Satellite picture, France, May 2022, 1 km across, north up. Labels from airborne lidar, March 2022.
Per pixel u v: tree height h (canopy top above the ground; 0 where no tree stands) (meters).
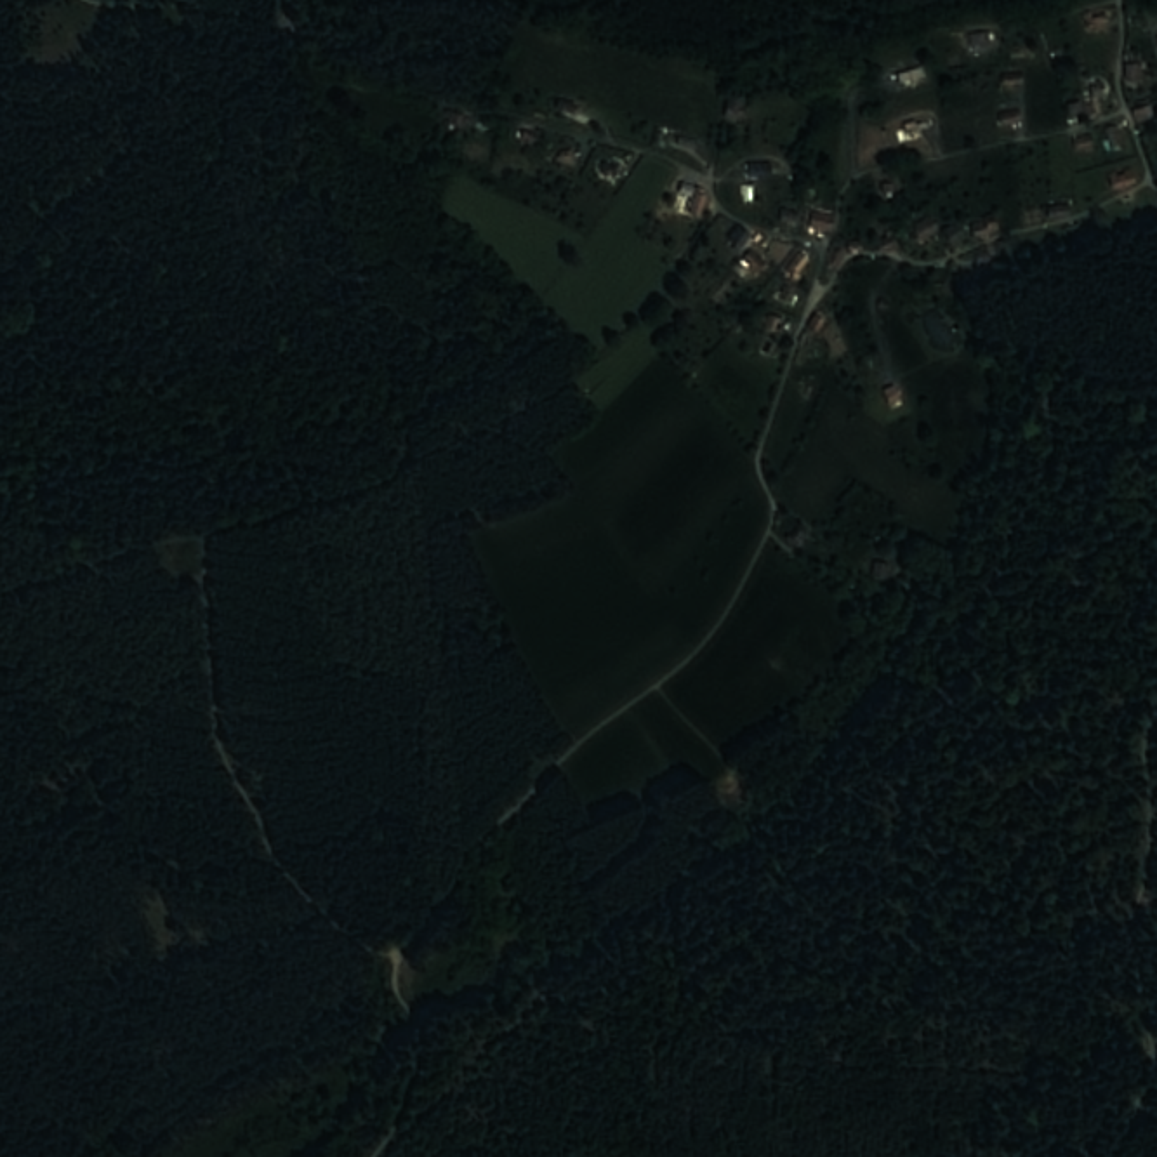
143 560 18
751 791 15
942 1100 13
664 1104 9
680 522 0
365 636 21
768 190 0
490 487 20
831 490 0
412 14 32
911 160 17
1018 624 12
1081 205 0
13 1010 22
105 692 20
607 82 0
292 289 27
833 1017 10
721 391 0
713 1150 11
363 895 33
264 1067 25
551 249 0
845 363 7
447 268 15
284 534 24
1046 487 8
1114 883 8
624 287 0
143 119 27
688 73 0
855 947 33
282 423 18
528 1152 10
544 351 18
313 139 14
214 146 26
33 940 25
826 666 0
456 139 10
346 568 24
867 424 0
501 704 14
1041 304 23
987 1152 25
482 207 0
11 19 22
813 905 39
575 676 0
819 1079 14
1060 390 15
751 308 9
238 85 10
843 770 30
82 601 23
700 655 0
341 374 18
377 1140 14
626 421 0
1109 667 17
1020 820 14
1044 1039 28
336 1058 27
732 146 10
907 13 26
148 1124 30
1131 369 29
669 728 0
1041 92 0
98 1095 30
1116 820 14
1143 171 0
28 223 25
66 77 25
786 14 24
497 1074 9
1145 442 9
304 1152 0
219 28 27
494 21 26
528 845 11
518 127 11
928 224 0
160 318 22
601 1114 11
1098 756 18
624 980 11
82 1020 26
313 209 24
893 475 0
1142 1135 21
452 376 16
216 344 25
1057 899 13
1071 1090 38
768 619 0
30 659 19
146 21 22
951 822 31
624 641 0
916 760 29
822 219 0
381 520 17
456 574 23
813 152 17
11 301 27
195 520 24
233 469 14
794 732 25
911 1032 12
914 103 0
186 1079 28
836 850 33
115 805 28
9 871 24
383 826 28
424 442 18
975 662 12
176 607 21
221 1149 0
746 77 17
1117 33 0
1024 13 22
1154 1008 9
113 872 27
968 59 0
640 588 0
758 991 33
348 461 19
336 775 24
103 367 29
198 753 20
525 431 17
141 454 14
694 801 32
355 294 25
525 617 0
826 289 0
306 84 20
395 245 8
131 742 27
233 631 18
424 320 12
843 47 35
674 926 37
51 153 26
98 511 26
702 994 35
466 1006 23
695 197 0
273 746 21
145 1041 28
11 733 22
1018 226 0
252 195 19
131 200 24
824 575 11
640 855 32
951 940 7
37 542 17
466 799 14
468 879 16
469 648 26
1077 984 25
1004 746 13
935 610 30
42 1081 26
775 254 0
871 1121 10
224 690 18
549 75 0
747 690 0
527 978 28
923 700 26
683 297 23
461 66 25
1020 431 30
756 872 35
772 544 0
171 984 28
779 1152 10
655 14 17
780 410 0
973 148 12
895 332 0
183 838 29
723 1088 10
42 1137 34
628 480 0
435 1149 9
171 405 15
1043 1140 41
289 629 19
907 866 9
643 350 0
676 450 0
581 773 0
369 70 29
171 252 19
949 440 0
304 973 28
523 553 0
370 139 11
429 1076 8
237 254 22
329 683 19
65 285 33
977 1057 6
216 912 28
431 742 23
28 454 13
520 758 16
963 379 0
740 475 0
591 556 0
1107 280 24
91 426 15
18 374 28
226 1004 28
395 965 0
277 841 22
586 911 8
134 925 28
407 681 21
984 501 19
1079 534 13
